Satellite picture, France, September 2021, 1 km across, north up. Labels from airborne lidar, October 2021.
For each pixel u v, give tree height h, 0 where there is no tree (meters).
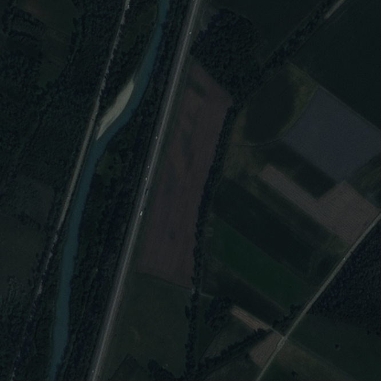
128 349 0
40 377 12
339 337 0
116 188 26
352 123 0
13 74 13
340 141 0
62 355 0
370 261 22
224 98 0
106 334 0
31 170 9
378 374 0
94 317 25
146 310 0
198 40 0
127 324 0
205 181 0
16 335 21
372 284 24
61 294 0
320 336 0
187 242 0
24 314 13
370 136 0
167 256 0
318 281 0
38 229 12
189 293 0
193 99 0
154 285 0
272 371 0
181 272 0
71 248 0
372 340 0
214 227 0
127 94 0
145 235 0
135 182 19
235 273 0
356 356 0
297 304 0
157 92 19
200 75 0
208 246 0
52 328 0
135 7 14
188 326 0
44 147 9
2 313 11
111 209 8
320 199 0
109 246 25
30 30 22
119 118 0
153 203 0
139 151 22
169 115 0
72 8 0
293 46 20
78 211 0
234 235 0
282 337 0
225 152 7
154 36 0
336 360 0
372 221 0
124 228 22
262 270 0
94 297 7
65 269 0
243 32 28
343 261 0
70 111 27
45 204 0
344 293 24
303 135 0
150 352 0
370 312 28
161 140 0
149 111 26
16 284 8
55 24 0
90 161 0
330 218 0
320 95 0
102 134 0
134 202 14
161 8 0
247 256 0
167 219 0
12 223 0
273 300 0
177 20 15
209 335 0
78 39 20
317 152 0
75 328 15
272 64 11
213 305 0
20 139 30
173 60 10
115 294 0
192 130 0
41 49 12
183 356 0
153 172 0
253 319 0
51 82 0
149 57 0
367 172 0
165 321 0
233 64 25
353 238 0
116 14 23
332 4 16
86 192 0
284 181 0
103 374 0
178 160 0
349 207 0
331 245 0
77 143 8
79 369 17
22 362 19
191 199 0
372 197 0
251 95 10
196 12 0
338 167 0
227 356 18
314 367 0
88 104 22
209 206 19
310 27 11
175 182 0
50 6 0
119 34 0
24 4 0
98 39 24
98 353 0
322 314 22
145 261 0
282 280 0
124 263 0
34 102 7
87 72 8
